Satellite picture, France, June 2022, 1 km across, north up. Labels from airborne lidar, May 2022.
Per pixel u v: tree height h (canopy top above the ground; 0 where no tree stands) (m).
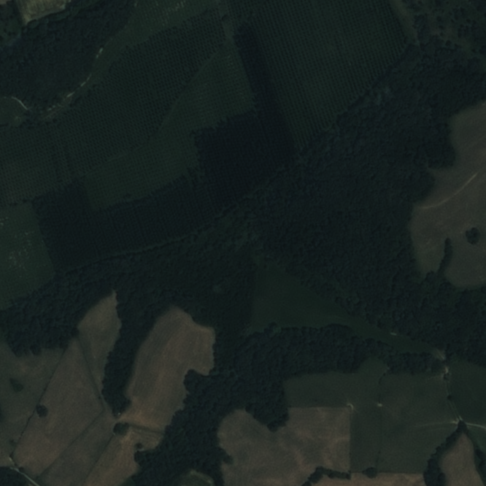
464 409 0
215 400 25
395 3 0
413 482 0
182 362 0
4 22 17
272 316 0
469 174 0
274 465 0
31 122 17
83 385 0
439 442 0
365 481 0
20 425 0
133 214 25
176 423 28
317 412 0
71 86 26
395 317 22
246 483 0
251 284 13
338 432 0
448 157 25
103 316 0
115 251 25
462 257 0
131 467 0
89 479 0
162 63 11
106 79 16
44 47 30
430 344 17
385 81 22
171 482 9
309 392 0
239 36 22
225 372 26
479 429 0
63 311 18
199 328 0
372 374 0
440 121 25
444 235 0
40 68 27
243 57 22
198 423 29
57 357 0
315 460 0
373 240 29
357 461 0
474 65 25
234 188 26
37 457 0
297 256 24
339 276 28
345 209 20
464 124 0
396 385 0
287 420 17
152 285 30
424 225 0
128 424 6
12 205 9
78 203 23
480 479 0
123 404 16
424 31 27
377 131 27
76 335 12
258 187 8
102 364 0
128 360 21
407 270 20
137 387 0
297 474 0
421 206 0
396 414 0
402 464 0
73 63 24
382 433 0
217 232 15
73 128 11
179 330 0
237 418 0
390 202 20
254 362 22
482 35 19
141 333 22
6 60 24
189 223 25
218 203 25
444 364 13
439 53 21
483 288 10
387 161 25
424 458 0
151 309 24
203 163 21
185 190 21
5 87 22
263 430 0
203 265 11
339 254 23
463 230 0
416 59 24
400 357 10
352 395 0
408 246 11
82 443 0
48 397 0
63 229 24
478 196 0
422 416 0
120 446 0
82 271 14
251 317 8
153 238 24
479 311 11
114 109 13
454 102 18
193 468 18
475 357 19
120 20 25
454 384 0
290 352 20
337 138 25
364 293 26
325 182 26
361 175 23
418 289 22
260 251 13
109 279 24
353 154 24
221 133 26
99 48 7
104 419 0
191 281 11
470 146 0
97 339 0
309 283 16
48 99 23
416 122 18
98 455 0
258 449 0
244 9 10
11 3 9
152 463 16
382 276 23
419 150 10
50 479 0
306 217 25
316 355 20
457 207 0
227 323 12
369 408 0
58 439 0
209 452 26
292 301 0
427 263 0
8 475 10
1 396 0
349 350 23
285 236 23
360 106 21
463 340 20
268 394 26
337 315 0
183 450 22
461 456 0
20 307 24
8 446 0
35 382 0
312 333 22
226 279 24
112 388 17
